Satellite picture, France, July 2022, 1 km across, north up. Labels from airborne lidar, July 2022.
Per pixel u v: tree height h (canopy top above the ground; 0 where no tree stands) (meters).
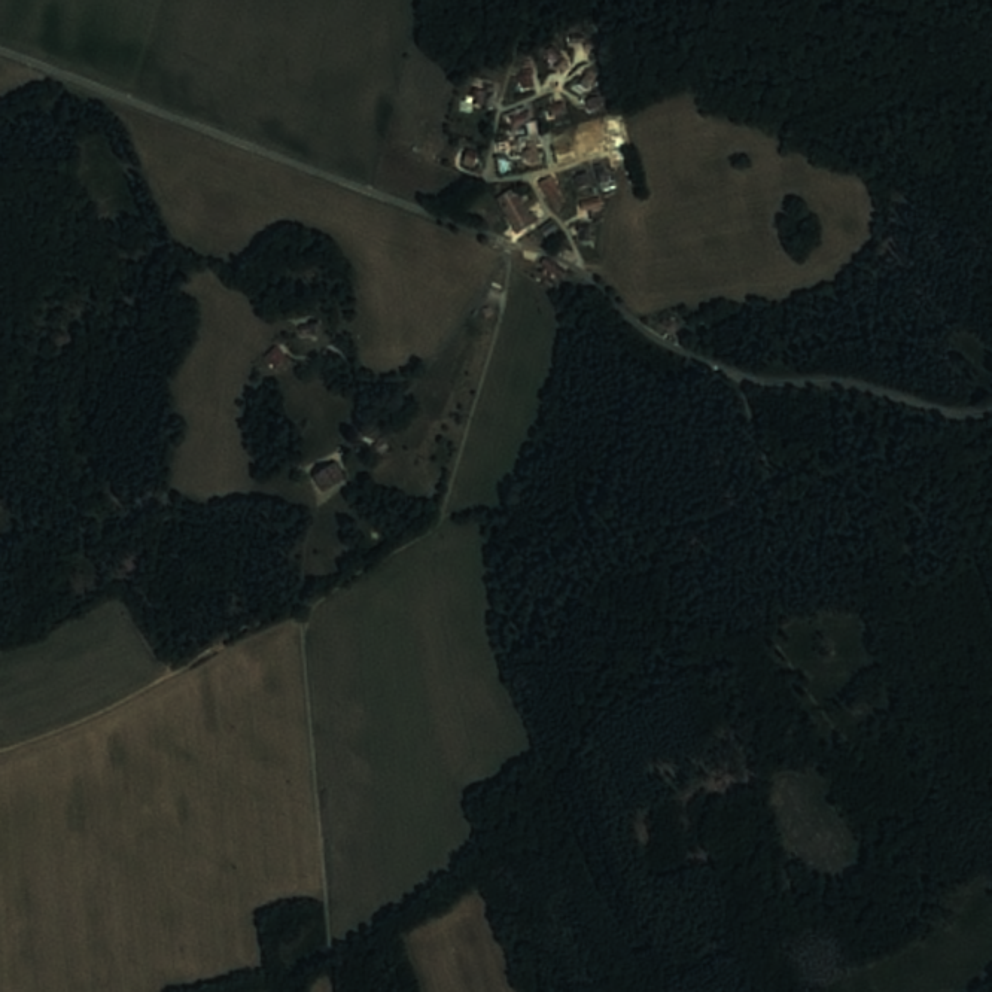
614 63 22
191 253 26
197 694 0
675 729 23
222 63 0
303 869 0
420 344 0
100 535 21
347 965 17
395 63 0
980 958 0
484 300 0
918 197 14
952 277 25
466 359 0
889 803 9
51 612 16
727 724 17
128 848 0
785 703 14
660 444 32
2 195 18
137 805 0
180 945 0
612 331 16
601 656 19
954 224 18
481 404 0
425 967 0
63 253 20
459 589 0
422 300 0
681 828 10
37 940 0
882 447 36
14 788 0
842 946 23
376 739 0
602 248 0
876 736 19
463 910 0
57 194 20
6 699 0
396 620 0
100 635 0
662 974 18
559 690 23
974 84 13
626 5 34
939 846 17
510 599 12
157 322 25
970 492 20
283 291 27
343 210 0
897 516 24
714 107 19
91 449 22
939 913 21
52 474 16
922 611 11
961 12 23
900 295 28
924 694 21
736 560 33
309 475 14
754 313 23
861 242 0
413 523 22
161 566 18
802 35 22
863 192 0
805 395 18
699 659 24
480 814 21
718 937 20
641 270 0
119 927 0
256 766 0
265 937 17
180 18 0
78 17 0
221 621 18
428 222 0
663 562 22
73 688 0
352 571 23
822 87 21
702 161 0
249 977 18
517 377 0
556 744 23
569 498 27
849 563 21
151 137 0
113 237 26
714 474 34
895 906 24
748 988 27
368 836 0
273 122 0
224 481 0
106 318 26
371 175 0
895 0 25
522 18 24
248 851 0
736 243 0
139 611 14
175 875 0
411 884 0
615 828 22
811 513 30
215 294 0
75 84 0
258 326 0
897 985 0
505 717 0
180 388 0
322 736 0
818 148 21
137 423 22
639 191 14
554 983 17
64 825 0
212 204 0
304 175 0
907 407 13
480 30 20
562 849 21
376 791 0
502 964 0
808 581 27
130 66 0
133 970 0
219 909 0
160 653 10
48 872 0
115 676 0
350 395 14
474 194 17
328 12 0
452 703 0
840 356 14
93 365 26
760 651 23
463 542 0
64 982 0
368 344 0
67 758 0
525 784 20
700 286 0
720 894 23
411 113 0
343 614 0
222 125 0
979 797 14
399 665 0
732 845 17
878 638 24
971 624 8
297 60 0
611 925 16
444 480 7
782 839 20
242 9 0
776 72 27
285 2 0
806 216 21
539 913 18
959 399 15
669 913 24
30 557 19
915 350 31
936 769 19
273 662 0
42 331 20
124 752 0
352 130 0
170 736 0
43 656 0
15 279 19
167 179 0
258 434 20
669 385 32
